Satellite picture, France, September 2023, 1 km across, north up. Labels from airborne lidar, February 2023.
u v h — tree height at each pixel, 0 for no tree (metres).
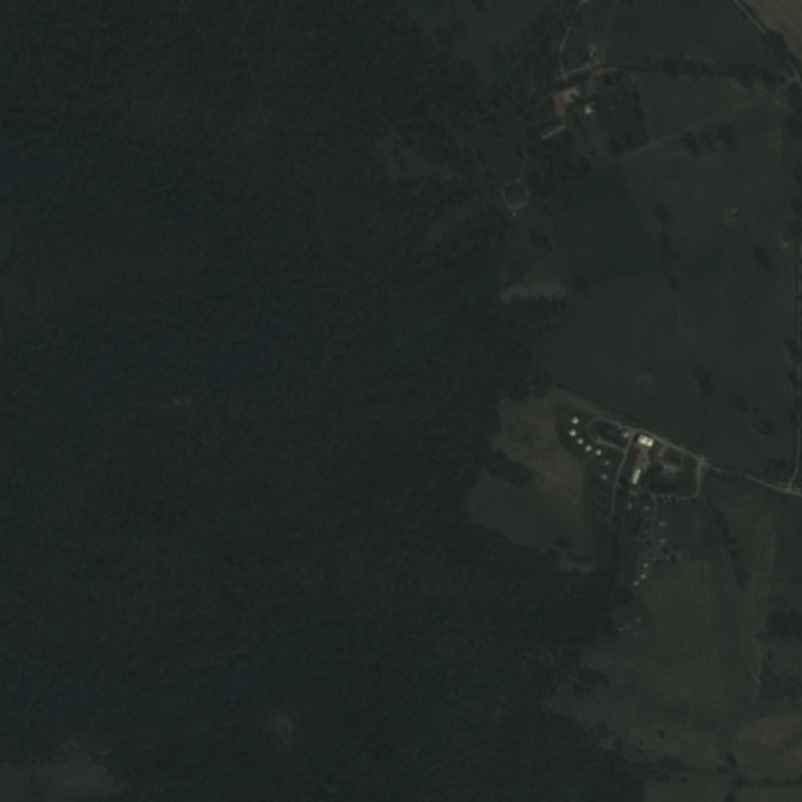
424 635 19
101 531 15
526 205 0
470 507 0
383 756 16
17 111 13
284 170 13
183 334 23
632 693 0
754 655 0
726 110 0
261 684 18
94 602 17
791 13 0
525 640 14
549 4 0
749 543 0
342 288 14
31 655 24
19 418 25
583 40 0
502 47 0
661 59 0
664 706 0
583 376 0
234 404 16
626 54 0
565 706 0
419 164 0
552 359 0
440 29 0
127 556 13
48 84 18
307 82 18
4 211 13
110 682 16
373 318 11
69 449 14
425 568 12
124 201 22
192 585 18
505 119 0
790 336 0
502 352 14
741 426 0
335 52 17
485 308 17
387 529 8
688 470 0
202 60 15
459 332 12
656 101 0
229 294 25
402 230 9
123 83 17
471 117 17
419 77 15
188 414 16
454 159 12
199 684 12
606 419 0
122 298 19
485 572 7
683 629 0
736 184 0
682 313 0
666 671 0
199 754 11
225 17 8
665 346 0
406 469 12
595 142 0
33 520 17
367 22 9
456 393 20
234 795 19
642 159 0
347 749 27
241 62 14
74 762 0
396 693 28
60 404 20
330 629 19
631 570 0
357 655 19
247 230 20
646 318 0
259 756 14
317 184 14
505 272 0
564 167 22
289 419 13
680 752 0
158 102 11
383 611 14
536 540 0
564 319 0
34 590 16
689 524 0
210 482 17
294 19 13
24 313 17
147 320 26
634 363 0
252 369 26
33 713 17
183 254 15
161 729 16
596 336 0
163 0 9
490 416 13
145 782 21
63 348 14
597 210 0
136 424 16
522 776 11
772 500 0
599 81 0
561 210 0
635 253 0
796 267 0
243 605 12
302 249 18
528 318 23
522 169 8
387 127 18
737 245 0
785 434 0
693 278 0
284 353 23
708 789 0
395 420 19
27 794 0
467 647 9
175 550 19
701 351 0
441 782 12
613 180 0
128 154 21
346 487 22
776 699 0
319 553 5
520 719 11
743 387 0
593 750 8
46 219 19
